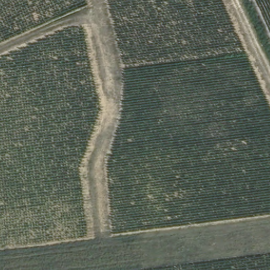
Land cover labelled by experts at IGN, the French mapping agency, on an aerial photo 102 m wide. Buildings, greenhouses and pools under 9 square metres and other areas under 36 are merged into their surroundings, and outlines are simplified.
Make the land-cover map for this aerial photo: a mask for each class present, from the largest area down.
<instances>
[{"label":"vineyard","instance_id":"1","mask_svg":"<svg viewBox=\"0 0 270 270\"><path fill-rule=\"evenodd\" d=\"M90 11L85 0H0V250L15 248L16 245L83 237L88 232L79 169L101 109L84 28L74 25L77 16L86 15ZM124 63L122 111L108 159L111 213L107 217L112 221L111 237L239 223L250 220L251 216L270 214V107L244 46L235 33L223 0H108ZM270 62V0H239ZM139 270H270V252Z\"/></svg>","mask_w":270,"mask_h":270},{"label":"agricultural land","instance_id":"2","mask_svg":"<svg viewBox=\"0 0 270 270\"><path fill-rule=\"evenodd\" d=\"M250 220L239 223L111 237L103 238L100 235L79 242L15 248L0 250V270H139L270 252V214L251 216Z\"/></svg>","mask_w":270,"mask_h":270},{"label":"herbaceous vegetation","instance_id":"3","mask_svg":"<svg viewBox=\"0 0 270 270\"><path fill-rule=\"evenodd\" d=\"M90 11L86 15L77 16L74 25L84 28L101 109L79 169L88 232L83 237L16 245L15 248L79 242L100 235L103 238L111 237L112 221L107 217L111 213L108 159L122 111L124 63L108 0H85ZM235 33L244 46L270 107V62L239 0H223Z\"/></svg>","mask_w":270,"mask_h":270}]
</instances>
